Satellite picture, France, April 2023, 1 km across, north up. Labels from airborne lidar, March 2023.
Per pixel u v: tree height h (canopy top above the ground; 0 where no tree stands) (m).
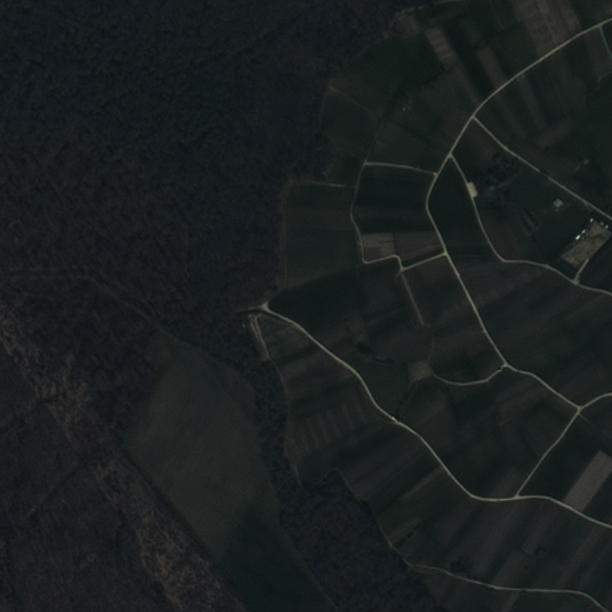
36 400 10
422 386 0
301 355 0
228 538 0
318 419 0
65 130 30
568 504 0
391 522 0
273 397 18
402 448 0
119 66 23
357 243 0
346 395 0
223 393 0
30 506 11
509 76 0
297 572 0
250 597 0
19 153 24
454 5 0
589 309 0
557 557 0
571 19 0
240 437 0
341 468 0
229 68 25
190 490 0
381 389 0
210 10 21
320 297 0
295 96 28
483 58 0
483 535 0
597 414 0
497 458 0
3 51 27
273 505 0
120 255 25
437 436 0
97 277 13
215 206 25
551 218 0
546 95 0
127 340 21
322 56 24
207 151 25
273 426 18
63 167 24
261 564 0
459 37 0
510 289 0
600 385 0
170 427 0
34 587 12
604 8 0
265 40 23
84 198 24
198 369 0
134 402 20
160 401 0
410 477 0
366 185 0
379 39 6
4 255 21
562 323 0
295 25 20
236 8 24
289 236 0
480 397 0
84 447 0
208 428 0
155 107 24
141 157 22
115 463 0
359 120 0
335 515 27
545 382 0
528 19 0
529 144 0
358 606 19
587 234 0
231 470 0
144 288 23
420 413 0
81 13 24
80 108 30
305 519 23
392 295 0
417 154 0
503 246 0
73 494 13
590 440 0
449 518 0
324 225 0
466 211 0
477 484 0
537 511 0
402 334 0
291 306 0
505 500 0
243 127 26
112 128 25
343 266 0
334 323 0
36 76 23
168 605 16
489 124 0
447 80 0
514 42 0
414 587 22
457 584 0
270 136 28
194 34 24
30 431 18
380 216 0
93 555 9
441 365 0
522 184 0
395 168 0
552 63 0
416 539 0
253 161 21
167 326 12
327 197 0
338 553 25
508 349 0
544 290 0
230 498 0
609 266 0
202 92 27
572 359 0
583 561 0
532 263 0
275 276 25
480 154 0
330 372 0
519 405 0
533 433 0
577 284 0
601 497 0
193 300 21
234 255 24
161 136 25
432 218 0
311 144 25
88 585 13
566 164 0
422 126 0
